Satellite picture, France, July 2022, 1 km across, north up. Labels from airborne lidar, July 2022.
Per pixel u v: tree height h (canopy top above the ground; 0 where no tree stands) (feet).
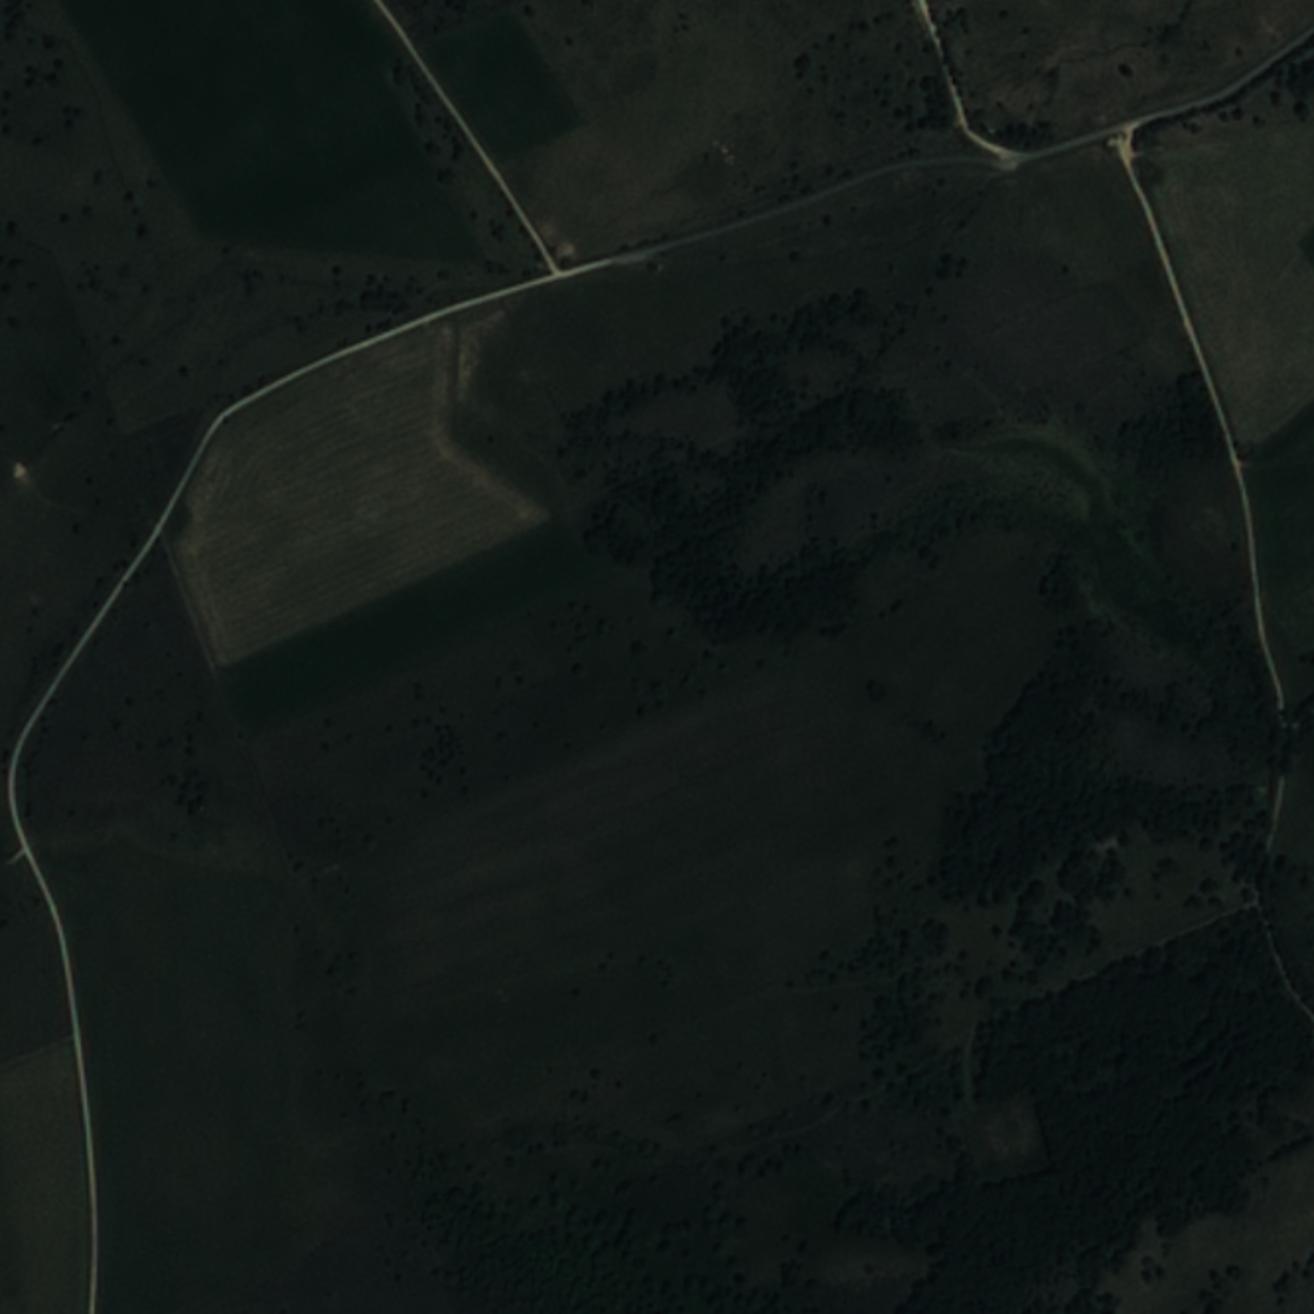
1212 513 0
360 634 0
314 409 0
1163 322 0
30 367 0
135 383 0
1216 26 0
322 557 0
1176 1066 22
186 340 0
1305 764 0
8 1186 0
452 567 0
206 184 0
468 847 0
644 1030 0
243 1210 0
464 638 0
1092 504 0
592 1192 0
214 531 0
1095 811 37
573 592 0
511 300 0
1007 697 0
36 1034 0
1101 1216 39
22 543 0
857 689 0
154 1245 0
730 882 0
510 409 0
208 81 0
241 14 0
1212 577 0
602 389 0
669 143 0
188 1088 0
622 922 0
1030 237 0
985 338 0
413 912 0
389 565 0
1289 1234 0
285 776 0
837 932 0
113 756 0
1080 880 41
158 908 0
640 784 0
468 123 0
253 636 0
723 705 0
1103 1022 40
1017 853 56
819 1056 0
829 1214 0
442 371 0
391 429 0
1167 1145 35
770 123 0
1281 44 0
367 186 0
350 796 0
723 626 36
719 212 0
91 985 0
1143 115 0
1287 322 0
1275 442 0
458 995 0
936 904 0
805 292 0
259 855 0
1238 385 0
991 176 0
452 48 0
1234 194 0
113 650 0
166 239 0
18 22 26
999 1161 0
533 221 0
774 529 0
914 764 0
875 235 0
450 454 0
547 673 0
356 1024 0
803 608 33
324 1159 0
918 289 0
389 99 0
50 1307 0
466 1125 0
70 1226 0
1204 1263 0
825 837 0
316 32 0
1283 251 0
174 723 0
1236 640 29
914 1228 32
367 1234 0
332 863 0
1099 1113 38
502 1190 0
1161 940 0
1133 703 31
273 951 0
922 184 0
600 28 0
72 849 0
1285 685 0
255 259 0
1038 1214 32
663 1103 0
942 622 0
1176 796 24
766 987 0
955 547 0
